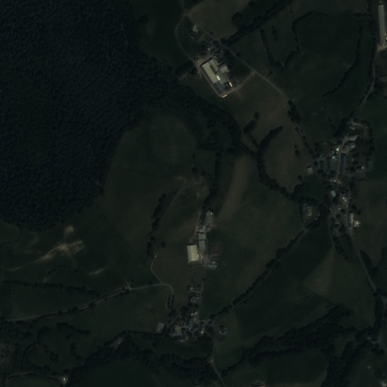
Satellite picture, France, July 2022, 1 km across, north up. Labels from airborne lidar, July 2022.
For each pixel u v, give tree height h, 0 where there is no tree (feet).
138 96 32
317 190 0
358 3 0
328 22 0
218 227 0
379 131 0
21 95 19
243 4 0
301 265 0
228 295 0
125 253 0
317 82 0
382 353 51
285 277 0
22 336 26
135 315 0
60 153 84
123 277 0
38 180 85
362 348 46
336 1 0
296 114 66
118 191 0
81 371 54
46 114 22
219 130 0
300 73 0
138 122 34
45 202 69
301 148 0
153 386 0
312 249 0
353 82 0
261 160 59
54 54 61
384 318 36
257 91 0
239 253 0
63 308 0
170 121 0
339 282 0
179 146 0
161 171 0
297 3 0
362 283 0
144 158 0
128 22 70
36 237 0
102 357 56
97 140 91
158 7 0
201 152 0
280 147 0
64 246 0
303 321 0
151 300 0
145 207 0
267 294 0
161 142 0
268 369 0
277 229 0
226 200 0
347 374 56
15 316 0
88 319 0
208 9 0
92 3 73
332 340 23
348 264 0
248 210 0
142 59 62
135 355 66
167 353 0
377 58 0
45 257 0
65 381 0
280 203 0
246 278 0
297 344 47
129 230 0
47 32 72
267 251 0
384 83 0
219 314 32
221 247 0
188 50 0
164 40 0
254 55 0
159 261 0
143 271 0
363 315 0
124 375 0
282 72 33
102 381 0
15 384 0
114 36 101
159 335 41
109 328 0
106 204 0
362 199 0
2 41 55
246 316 0
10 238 0
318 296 0
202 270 0
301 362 0
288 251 57
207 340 46
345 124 56
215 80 0
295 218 0
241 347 0
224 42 64
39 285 20
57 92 73
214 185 40
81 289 37
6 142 52
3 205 80
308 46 0
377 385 0
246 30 60
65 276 0
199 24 0
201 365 70
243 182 0
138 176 0
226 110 0
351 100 0
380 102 0
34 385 0
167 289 0
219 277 0
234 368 23
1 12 51
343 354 31
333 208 0
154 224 54
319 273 0
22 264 0
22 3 63
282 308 0
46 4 45
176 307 0
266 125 0
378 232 0
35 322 31
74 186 77
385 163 0
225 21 0
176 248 0
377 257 0
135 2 0
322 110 0
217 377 38
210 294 0
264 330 0
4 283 20
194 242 0
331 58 0
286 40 0
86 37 71
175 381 0
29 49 72
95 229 0
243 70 0
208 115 66
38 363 0
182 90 50
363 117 0
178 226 0
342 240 0
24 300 0
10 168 64
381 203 0
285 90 0
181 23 0
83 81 60
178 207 0
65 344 0
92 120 56
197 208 0
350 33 0
